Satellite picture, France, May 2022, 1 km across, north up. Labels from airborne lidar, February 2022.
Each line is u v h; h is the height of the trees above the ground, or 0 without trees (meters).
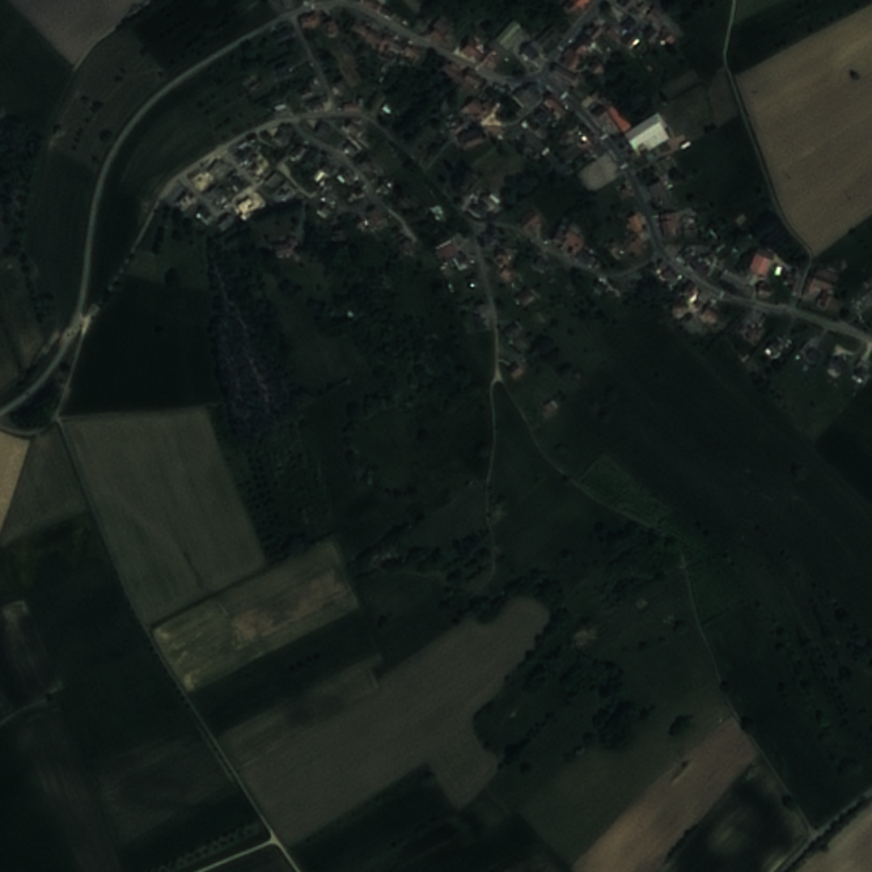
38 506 0
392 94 9
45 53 0
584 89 0
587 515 0
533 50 0
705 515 0
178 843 0
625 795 0
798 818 0
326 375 0
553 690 0
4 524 0
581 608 0
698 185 0
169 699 0
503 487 0
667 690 0
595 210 14
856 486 0
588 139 0
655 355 0
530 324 0
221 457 0
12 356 0
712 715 0
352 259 17
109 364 0
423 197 0
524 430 0
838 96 0
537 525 0
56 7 0
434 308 0
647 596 0
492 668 0
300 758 0
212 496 0
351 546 0
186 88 0
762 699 0
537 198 0
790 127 0
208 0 11
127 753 0
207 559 0
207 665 0
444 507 0
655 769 0
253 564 0
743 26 0
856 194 0
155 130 0
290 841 0
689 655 0
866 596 0
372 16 0
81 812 0
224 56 0
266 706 0
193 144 0
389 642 0
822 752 0
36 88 0
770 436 0
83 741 0
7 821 0
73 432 0
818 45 0
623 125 0
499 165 0
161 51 0
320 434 0
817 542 0
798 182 0
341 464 0
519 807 0
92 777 0
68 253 0
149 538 0
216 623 0
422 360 7
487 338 0
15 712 0
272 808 0
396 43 0
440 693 0
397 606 0
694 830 5
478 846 0
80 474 0
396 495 7
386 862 0
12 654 0
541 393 0
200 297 0
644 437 0
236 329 19
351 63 0
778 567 0
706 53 0
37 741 0
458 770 0
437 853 0
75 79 0
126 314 0
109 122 0
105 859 0
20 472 0
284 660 0
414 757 0
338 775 0
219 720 0
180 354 0
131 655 0
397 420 0
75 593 0
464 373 12
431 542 0
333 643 0
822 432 0
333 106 0
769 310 0
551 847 0
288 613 0
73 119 0
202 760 0
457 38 0
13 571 0
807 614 0
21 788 0
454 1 13
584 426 0
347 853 0
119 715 0
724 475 0
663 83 9
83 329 0
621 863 0
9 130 21
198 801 0
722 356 0
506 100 14
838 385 0
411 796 0
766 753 0
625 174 0
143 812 0
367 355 12
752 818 0
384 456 0
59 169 0
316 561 0
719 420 0
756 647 0
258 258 15
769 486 0
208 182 0
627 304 6
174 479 0
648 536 6
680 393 0
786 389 0
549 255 0
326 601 0
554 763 0
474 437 0
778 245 20
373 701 0
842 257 0
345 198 0
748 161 0
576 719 0
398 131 13
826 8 0
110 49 0
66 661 0
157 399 0
